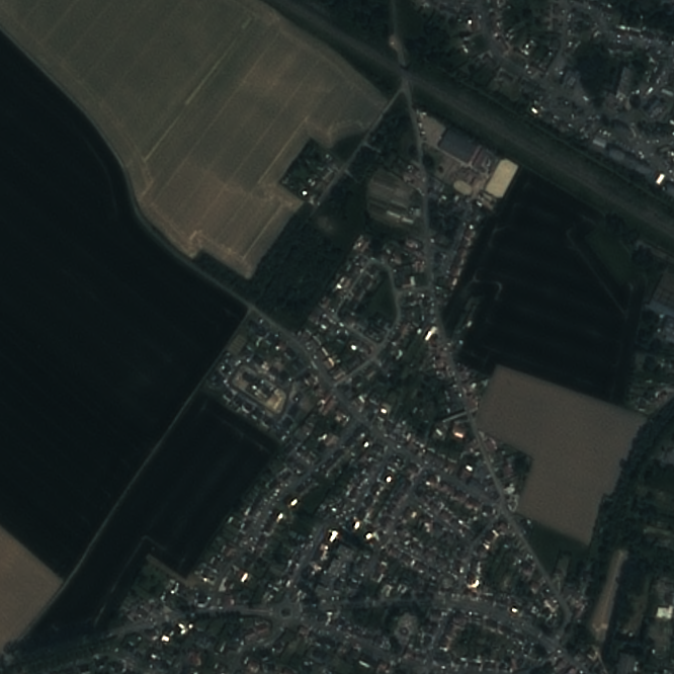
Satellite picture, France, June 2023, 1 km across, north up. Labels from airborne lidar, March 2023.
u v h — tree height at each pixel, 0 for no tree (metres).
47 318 0
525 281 0
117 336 0
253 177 0
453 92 0
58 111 0
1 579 0
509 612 0
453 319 0
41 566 0
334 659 0
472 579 0
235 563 0
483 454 0
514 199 0
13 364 0
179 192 0
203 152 0
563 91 0
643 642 12
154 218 0
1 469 0
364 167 7
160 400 0
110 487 0
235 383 0
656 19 14
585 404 0
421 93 0
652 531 0
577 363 0
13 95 0
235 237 0
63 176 0
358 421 0
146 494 0
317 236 7
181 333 0
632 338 0
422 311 0
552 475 0
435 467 0
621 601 21
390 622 12
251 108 0
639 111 0
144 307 0
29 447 0
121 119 0
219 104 0
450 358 0
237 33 0
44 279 0
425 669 0
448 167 0
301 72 0
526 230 0
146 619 0
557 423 0
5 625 0
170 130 0
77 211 0
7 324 0
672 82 0
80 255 0
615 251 0
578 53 0
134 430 0
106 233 0
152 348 0
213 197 0
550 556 0
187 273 0
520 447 0
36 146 0
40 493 0
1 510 0
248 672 0
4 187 0
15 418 0
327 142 0
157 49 0
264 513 0
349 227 0
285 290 6
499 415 0
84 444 0
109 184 0
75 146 0
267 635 0
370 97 0
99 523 0
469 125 0
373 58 0
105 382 0
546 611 6
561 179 0
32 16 0
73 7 0
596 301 0
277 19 0
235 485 0
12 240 0
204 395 0
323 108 0
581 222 0
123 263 0
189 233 0
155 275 0
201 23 0
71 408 0
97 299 0
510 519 0
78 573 0
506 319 0
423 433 11
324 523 0
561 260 0
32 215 0
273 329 0
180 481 0
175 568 0
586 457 0
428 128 0
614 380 0
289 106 0
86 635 25
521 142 0
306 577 9
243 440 0
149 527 0
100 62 0
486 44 0
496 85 0
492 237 0
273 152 0
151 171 0
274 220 0
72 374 0
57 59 0
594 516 0
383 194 0
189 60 0
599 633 0
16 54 0
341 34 0
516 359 0
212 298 0
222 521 0
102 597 0
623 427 0
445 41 13
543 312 0
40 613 0
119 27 0
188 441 0
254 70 0
